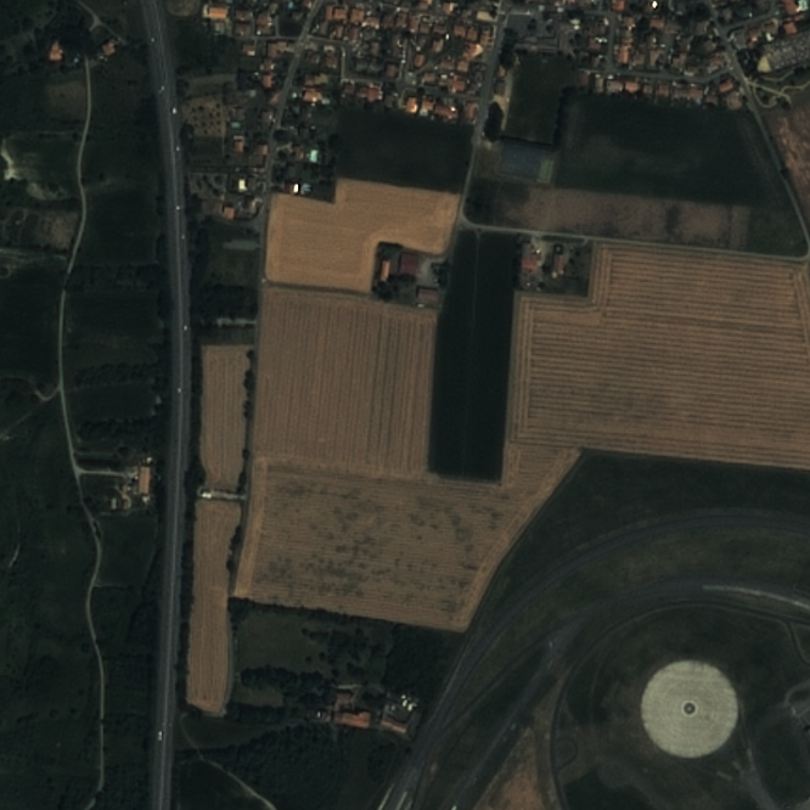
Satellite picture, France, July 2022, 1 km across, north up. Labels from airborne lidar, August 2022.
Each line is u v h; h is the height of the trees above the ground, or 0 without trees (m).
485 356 0
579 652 0
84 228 0
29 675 8
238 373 0
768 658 0
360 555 0
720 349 0
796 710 0
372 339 0
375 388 0
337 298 0
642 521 0
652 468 0
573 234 0
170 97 0
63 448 0
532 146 7
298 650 0
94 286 10
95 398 0
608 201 0
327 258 0
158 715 0
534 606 0
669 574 0
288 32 0
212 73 8
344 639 7
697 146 0
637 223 0
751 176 0
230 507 0
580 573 0
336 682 9
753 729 0
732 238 0
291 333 0
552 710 0
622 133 0
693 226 0
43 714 0
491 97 0
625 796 0
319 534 0
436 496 0
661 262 0
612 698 0
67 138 0
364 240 0
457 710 0
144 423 13
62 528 0
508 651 0
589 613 0
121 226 0
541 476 0
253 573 0
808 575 0
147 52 10
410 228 0
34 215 0
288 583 0
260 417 0
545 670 0
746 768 0
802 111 0
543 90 0
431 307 0
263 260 0
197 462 12
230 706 12
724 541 0
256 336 0
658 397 0
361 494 0
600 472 0
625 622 0
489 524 0
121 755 0
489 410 0
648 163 0
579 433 0
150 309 0
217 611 0
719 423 0
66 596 0
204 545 0
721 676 0
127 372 7
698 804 0
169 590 0
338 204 0
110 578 0
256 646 0
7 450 0
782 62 0
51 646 0
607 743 0
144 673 6
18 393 7
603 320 0
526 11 0
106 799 7
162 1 0
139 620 13
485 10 0
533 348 0
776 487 0
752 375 0
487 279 0
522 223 0
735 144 0
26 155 0
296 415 0
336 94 6
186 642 14
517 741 0
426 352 0
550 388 0
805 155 0
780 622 0
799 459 0
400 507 0
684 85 8
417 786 0
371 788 0
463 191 0
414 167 0
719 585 0
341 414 0
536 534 0
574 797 0
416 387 0
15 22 9
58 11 9
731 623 0
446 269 9
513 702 0
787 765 0
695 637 0
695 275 0
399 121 0
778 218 0
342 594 0
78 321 0
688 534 0
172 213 0
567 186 0
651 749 0
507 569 0
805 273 0
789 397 0
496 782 0
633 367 0
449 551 0
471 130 0
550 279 0
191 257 6
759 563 0
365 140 0
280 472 0
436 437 0
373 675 0
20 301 0
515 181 0
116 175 0
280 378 0
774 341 0
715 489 0
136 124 7
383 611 0
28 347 0
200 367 13
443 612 0
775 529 0
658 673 0
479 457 0
